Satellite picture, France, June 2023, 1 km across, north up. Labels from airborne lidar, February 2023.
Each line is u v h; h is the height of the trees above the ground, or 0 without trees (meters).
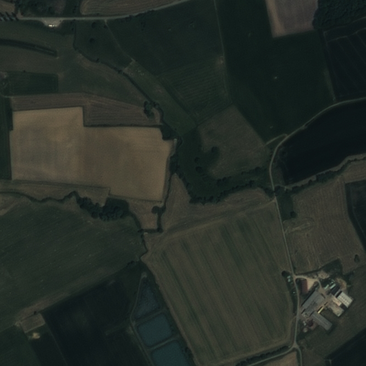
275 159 0
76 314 0
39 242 0
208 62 0
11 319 0
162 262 0
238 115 0
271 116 0
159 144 0
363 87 0
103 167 0
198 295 0
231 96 0
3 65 0
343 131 0
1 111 0
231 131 0
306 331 0
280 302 0
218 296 0
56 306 0
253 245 0
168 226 0
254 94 0
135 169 0
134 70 0
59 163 0
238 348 0
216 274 0
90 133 0
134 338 0
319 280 0
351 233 0
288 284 0
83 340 0
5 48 0
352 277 0
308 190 0
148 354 0
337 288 0
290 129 0
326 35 0
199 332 0
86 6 0
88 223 0
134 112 0
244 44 0
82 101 0
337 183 0
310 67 0
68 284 0
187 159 0
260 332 0
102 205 0
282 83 0
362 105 0
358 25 0
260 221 0
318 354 0
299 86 0
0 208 0
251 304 0
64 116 0
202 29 0
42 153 0
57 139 0
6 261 0
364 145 0
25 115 0
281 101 0
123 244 0
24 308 0
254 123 0
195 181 0
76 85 0
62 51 0
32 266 0
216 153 8
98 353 0
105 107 0
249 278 0
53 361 0
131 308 0
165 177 0
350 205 0
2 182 0
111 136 0
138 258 0
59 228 0
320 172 0
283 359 0
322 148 0
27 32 0
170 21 0
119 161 0
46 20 0
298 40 0
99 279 0
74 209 0
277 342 0
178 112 0
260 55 0
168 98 0
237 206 0
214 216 0
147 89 0
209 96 0
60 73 0
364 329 0
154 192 0
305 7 0
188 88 0
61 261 0
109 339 0
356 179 0
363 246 0
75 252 0
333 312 0
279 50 0
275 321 0
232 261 0
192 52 0
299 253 0
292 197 0
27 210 0
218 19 0
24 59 0
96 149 0
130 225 0
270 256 0
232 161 0
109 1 0
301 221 0
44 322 0
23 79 0
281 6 0
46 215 0
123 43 0
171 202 0
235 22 0
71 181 0
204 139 0
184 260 0
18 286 0
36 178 0
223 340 0
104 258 0
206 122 0
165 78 0
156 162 0
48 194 0
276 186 0
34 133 0
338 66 0
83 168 0
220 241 0
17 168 0
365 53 0
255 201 0
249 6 0
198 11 0
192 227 0
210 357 0
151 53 0
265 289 0
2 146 0
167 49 0
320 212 0
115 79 0
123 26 0
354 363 0
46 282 0
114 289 0
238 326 0
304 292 0
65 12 0
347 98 0
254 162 0
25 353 0
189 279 0
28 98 0
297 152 0
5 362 0
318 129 0
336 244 0
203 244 0
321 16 20
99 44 0
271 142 0
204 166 0
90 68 0
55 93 0
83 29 0
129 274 0
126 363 0
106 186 0
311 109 0
